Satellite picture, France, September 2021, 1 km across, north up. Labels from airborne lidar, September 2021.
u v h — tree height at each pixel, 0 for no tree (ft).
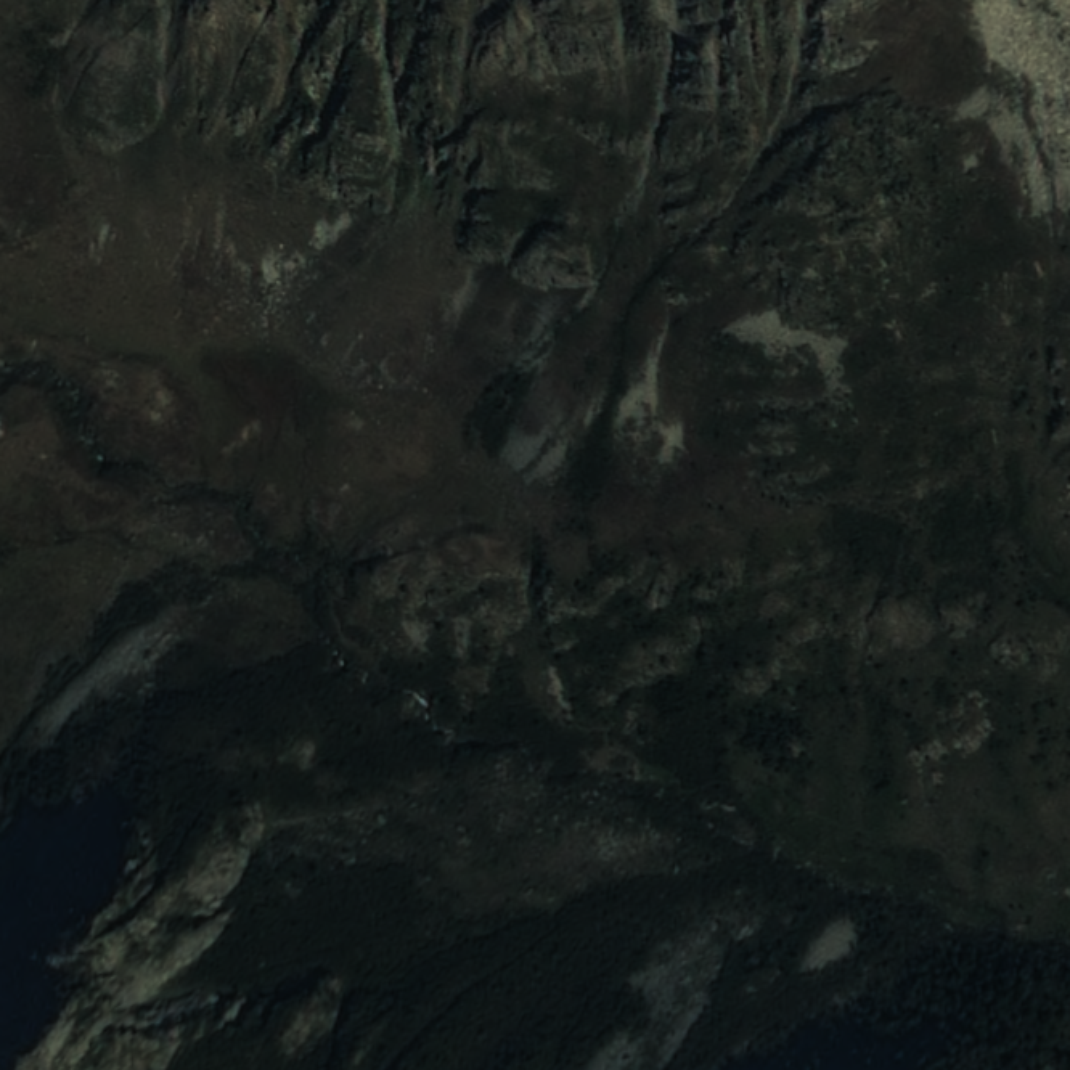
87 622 0
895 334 0
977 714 0
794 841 0
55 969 0
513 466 0
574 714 21
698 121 0
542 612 28
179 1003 0
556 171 0
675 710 21
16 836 0
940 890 0
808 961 0
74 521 0
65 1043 0
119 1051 0
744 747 34
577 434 0
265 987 19
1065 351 0
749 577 26
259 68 0
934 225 0
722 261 0
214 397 0
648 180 0
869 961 23
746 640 0
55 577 0
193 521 0
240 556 0
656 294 0
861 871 0
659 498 0
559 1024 19
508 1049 18
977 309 0
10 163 0
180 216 0
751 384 0
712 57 0
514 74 0
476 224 20
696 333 0
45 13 0
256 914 21
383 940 18
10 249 0
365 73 0
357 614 0
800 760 36
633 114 0
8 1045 0
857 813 0
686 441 0
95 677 0
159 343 0
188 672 0
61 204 0
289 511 0
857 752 0
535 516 0
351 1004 31
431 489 0
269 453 0
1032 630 0
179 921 20
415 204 0
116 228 0
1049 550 0
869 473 0
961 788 0
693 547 0
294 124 19
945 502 19
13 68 0
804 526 0
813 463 0
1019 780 0
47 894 29
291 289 0
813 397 0
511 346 0
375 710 23
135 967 0
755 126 0
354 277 0
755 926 0
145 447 0
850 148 26
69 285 0
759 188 0
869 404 0
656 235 0
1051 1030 26
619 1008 21
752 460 0
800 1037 17
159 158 0
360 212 0
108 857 19
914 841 0
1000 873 0
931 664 0
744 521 0
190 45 0
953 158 0
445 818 0
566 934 17
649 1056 0
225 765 0
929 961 32
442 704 26
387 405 0
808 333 0
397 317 0
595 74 0
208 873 0
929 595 19
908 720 34
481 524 0
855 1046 31
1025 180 0
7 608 0
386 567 0
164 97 0
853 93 0
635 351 0
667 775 0
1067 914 0
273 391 0
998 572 35
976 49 0
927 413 0
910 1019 24
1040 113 0
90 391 0
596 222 0
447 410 0
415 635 0
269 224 0
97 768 0
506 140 0
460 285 0
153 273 0
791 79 0
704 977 0
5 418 0
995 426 0
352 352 0
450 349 0
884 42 0
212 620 0
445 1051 22
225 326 0
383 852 0
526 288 0
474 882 0
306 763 0
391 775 19
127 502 0
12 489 0
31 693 0
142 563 0
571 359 0
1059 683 0
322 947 17
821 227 0
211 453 0
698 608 39
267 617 0
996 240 0
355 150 0
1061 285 0
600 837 0
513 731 18
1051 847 0
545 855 0
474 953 18
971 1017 28
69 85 0
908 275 0
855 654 0
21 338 0
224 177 0
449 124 0
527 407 0
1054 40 0
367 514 0
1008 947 30
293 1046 0
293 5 0
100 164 0
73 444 0
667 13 0
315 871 31
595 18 0
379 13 0
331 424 0
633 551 0
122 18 0
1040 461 0
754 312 0
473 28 0
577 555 0
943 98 0
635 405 0
